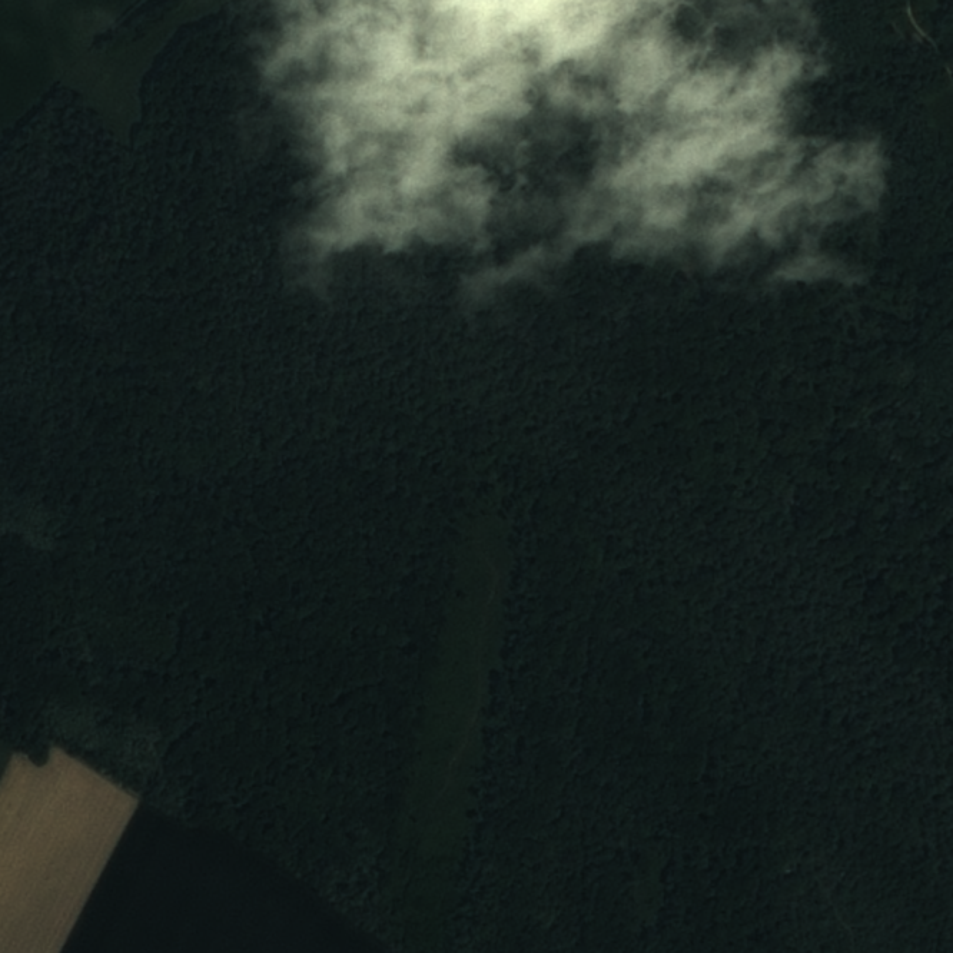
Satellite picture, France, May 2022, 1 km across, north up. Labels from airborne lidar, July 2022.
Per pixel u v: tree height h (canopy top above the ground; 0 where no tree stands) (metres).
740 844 23
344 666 27
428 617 20
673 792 21
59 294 18
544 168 18
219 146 17
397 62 22
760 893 16
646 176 20
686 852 17
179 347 13
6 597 25
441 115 21
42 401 10
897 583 21
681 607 16
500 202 20
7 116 0
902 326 23
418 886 7
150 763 20
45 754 17
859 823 15
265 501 19
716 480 23
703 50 20
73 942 0
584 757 17
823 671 15
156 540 19
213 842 0
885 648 18
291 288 16
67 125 16
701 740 21
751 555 13
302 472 18
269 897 0
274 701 24
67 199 24
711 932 17
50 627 11
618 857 17
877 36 23
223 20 14
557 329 18
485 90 18
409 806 19
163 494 16
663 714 24
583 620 20
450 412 15
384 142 22
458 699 0
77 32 0
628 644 23
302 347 8
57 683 28
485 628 0
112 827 0
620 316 15
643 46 17
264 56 25
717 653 16
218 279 10
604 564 13
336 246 16
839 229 22
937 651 22
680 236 19
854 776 16
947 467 26
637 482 13
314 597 22
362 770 23
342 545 16
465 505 18
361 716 23
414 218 19
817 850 11
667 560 17
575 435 14
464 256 16
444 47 26
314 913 0
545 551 20
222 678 23
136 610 14
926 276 14
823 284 20
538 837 16
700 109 20
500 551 0
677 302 20
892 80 16
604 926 16
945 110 0
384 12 20
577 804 18
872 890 6
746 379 20
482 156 22
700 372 17
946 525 18
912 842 13
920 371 23
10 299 18
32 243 12
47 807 0
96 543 20
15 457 15
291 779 23
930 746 14
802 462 17
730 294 22
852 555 18
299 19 18
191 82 22
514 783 20
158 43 0
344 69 20
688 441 19
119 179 16
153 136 15
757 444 21
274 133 20
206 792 27
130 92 0
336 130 18
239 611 22
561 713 20
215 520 21
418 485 20
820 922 12
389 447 18
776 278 21
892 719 13
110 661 17
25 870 0
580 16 14
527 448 6
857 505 17
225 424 16
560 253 20
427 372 16
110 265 17
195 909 0
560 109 20
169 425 17
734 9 16
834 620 12
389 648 24
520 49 21
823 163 24
